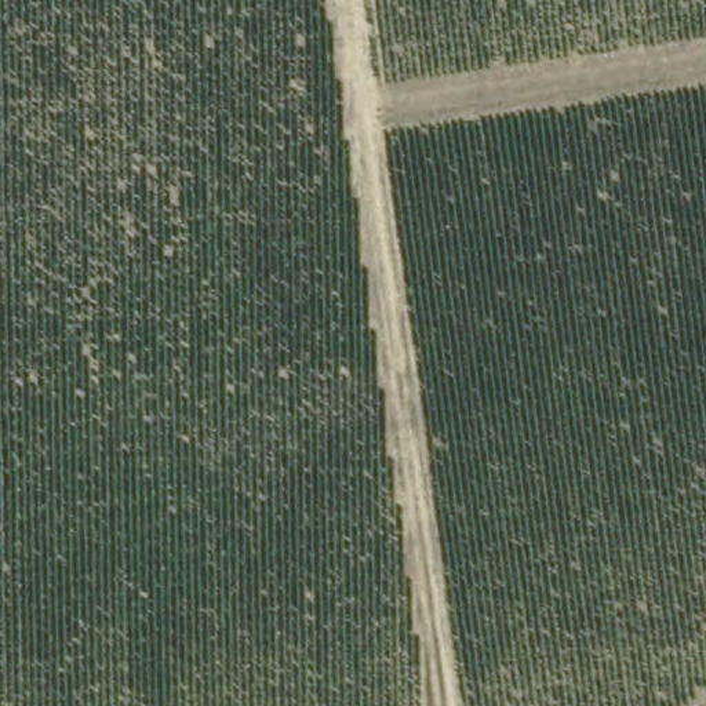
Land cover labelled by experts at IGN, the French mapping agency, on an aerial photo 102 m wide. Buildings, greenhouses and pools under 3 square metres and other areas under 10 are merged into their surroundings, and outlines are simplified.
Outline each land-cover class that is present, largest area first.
<instances>
[{"label":"vineyard","instance_id":"1","mask_svg":"<svg viewBox=\"0 0 706 706\"><path fill-rule=\"evenodd\" d=\"M414 593L403 554V507L394 496V463L386 452V392L378 383V336L370 328V273L361 265L359 199L353 196L350 185V143L345 138L342 80L334 63V25L325 17V0H0V706H422L419 637L414 634L411 621ZM364 17L370 25V69L375 80L405 83L414 77L485 69L494 58H505V63H532L538 58H563L568 52H612L618 50V41L665 44L706 36V0H364ZM397 240L403 256L405 303L422 386L425 447L430 466L433 513L438 527V549L444 565V596L455 651V676L461 698L458 706H706V85L640 97H612L596 105H571L565 110L546 108L510 116H488L477 121L430 124L425 132H383Z\"/></svg>","mask_w":706,"mask_h":706},{"label":"pervious surface","instance_id":"2","mask_svg":"<svg viewBox=\"0 0 706 706\"><path fill-rule=\"evenodd\" d=\"M325 17L334 25V63L342 80L345 138L350 143V185L353 196L359 199L361 265L370 273V328L378 336V383L386 392V452L394 463V496L403 507V554L414 593L411 621L414 634L419 637L422 706H458L461 698L455 676V651L444 596V565L438 549V527L433 513L430 466L425 447L422 386L405 303L403 256L397 240L383 132L378 121L381 94L375 80L370 69V25L364 17V0H325Z\"/></svg>","mask_w":706,"mask_h":706},{"label":"herbaceous vegetation","instance_id":"3","mask_svg":"<svg viewBox=\"0 0 706 706\"><path fill-rule=\"evenodd\" d=\"M381 94L378 121L383 132H425L430 124L477 121L488 116H510L546 108L565 110L571 105H596L612 97H640L706 85V36L665 44L618 41V50L612 52H568L563 58H538L532 63H505V58H494L485 69L414 77L405 83L375 80Z\"/></svg>","mask_w":706,"mask_h":706}]
</instances>
